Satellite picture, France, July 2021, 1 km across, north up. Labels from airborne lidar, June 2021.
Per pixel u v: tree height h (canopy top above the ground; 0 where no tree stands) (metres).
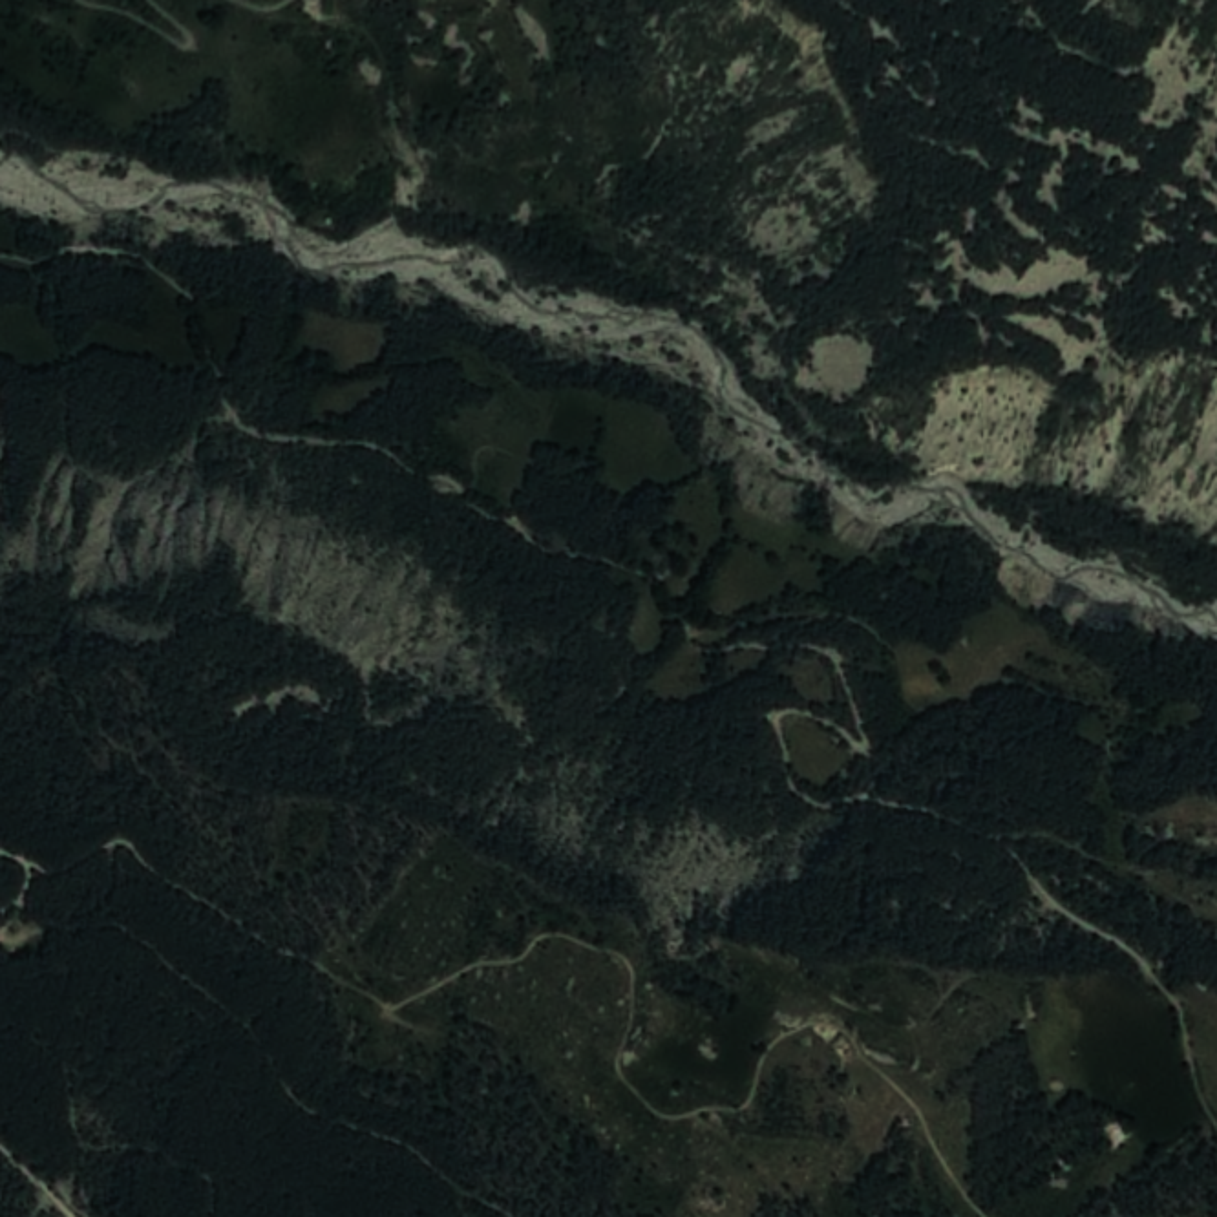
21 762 13
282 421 13
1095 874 10
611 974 0
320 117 0
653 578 6
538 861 8
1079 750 16
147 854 11
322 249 0
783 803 11
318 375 12
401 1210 13
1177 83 0
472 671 0
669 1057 0
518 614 12
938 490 0
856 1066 0
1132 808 10
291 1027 11
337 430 12
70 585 8
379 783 12
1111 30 7
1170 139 10
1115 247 8
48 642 9
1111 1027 0
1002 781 13
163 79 0
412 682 7
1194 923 11
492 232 13
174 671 9
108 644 13
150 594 6
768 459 0
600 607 7
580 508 11
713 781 9
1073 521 10
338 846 13
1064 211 7
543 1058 0
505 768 8
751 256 9
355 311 6
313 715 10
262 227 0
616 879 12
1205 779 11
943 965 8
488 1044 15
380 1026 0
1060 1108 13
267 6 0
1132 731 8
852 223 7
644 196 7
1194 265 11
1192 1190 15
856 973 0
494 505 9
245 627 11
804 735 0
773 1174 0
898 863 9
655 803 7
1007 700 15
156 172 9
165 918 12
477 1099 14
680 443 8
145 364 12
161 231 0
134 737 10
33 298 9
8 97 8
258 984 12
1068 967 11
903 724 7
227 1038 10
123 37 9
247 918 13
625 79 7
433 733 12
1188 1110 0
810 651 9
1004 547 0
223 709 9
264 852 13
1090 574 0
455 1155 10
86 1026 10
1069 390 7
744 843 6
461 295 0
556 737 8
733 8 0
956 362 8
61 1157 13
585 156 0
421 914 0
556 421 0
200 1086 15
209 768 11
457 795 10
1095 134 10
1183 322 11
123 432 10
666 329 0
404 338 12
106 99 0
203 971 12
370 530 6
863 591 13
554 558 11
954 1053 0
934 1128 0
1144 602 0
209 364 7
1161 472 0
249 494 6
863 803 9
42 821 11
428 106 9
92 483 5
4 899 11
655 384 15
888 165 8
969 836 12
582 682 13
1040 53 10
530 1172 15
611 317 0
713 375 0
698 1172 0
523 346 8
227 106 9
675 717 14
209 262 14
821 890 13
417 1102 13
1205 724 11
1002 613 0
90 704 15
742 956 0
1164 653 15
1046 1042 0
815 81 0
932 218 8
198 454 8
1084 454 0
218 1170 13
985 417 0
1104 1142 15
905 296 10
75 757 16
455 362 8
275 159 10
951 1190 0
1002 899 10
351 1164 12
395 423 11
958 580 9
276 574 0
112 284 15
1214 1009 0
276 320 14
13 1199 10
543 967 0
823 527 13
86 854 11
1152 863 7
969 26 11
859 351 0
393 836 15
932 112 9
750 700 13
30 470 8
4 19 7
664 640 8
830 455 16
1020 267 6
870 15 7
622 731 7
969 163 10
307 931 15
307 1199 13
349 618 0
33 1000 12
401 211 7
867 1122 0
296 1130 11
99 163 0
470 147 0
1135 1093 0
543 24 0
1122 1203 15
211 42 0
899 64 9
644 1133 0
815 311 8
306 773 14
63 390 13
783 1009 0
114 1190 10
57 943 14
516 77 0
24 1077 11
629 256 6
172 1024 9
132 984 10
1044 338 9
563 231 8
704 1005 14
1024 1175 15
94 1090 7
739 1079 0
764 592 0
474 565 11
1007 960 10
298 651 11
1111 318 8
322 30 7
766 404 8
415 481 8
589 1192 14
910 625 12
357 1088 11
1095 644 12
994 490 9
